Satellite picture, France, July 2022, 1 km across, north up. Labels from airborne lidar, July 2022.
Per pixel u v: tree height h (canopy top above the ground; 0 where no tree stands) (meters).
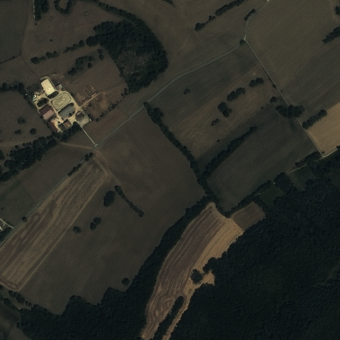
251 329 15
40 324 20
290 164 0
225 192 0
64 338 20
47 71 0
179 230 16
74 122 8
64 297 0
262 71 0
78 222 0
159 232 0
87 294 0
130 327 23
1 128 0
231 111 7
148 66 8
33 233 0
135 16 12
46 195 0
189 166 0
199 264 0
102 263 0
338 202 16
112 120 0
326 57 0
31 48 0
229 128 0
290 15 0
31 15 0
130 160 0
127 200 11
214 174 0
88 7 0
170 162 0
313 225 7
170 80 0
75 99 0
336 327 19
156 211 0
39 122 0
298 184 0
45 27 0
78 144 0
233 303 10
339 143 0
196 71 0
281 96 0
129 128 0
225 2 0
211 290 27
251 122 0
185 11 0
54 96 7
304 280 25
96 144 0
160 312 0
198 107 0
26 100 11
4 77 0
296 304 21
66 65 0
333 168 8
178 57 0
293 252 21
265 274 18
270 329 22
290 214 12
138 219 0
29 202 0
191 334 18
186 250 0
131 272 0
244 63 0
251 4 0
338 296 21
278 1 0
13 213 0
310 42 0
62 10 11
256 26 0
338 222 15
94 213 0
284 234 26
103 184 0
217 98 0
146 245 0
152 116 17
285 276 24
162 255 15
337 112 0
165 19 0
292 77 0
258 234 27
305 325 18
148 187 0
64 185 0
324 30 0
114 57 6
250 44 0
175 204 0
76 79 0
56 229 0
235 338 23
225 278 18
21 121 11
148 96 0
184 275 0
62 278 0
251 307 17
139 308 24
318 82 0
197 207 20
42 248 0
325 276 12
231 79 0
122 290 0
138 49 0
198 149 0
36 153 19
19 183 0
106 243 0
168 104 0
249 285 20
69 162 0
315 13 0
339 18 0
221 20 0
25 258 0
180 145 18
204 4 0
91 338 29
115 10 9
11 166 17
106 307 13
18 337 0
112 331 30
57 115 0
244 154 0
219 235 0
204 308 22
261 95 0
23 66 0
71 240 0
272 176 0
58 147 0
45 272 0
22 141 0
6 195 0
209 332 22
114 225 0
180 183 0
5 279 0
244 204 17
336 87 0
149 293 18
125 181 0
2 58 0
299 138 0
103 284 0
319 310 20
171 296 0
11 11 0
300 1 0
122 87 0
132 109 0
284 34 0
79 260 0
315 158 17
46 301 0
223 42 0
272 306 14
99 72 0
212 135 0
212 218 0
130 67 0
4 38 0
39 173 0
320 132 0
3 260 0
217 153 0
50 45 0
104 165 0
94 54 0
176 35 0
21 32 0
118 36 15
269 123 0
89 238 0
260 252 19
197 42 0
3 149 0
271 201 0
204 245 0
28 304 13
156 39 16
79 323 22
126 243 0
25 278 0
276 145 0
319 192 14
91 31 0
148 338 0
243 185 0
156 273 18
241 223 0
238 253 25
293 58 0
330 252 8
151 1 0
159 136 0
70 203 0
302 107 12
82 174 0
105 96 0
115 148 0
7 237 0
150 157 0
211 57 0
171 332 0
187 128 0
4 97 0
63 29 0
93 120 12
